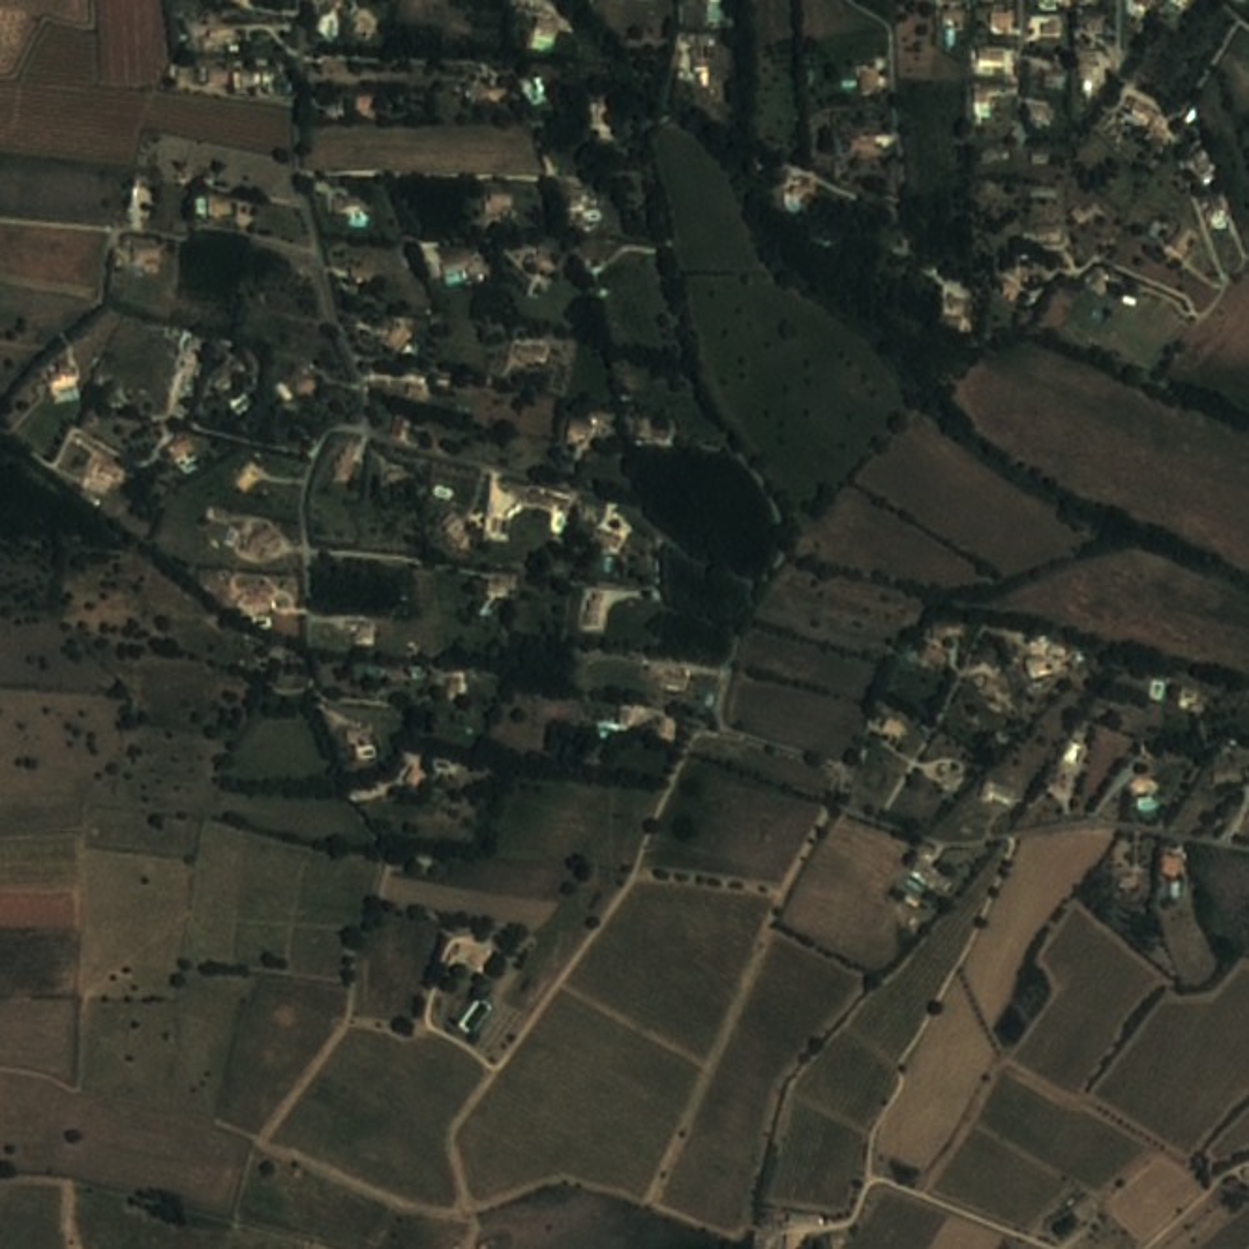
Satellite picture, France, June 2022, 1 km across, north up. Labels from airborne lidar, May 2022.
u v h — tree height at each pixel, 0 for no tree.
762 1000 0
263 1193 0
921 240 7
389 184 8
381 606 11
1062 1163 0
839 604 0
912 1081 0
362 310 8
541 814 0
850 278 8
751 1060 0
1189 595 0
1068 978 0
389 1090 0
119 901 0
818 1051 7
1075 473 0
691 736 12
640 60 9
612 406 10
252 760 0
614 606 0
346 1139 0
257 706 7
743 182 11
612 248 0
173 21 7
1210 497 0
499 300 11
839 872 0
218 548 0
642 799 0
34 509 6
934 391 6
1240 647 0
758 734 0
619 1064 0
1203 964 0
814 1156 0
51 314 0
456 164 0
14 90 0
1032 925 0
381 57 9
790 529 16
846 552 0
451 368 11
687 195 0
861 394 0
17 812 0
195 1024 0
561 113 10
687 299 13
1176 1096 0
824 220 12
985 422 0
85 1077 0
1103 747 0
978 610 9
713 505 8
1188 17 9
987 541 0
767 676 9
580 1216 0
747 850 0
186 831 0
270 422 11
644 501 10
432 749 15
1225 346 0
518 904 0
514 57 10
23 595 7
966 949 0
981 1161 0
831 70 11
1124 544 13
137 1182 0
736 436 19
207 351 13
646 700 10
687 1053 0
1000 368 0
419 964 0
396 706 8
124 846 0
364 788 9
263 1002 0
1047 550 0
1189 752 8
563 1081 0
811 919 0
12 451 11
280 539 0
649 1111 0
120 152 0
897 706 11
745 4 16
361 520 0
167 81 8
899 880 0
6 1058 0
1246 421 11
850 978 0
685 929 0
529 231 13
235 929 0
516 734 0
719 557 14
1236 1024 0
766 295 0
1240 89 0
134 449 8
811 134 8
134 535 11
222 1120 0
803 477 0
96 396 7
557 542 8
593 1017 0
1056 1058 0
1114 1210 0
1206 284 0
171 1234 0
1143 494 0
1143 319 0
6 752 0
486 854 8
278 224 0
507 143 0
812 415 9
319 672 9
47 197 0
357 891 0
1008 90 0
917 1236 0
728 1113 0
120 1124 0
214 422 9
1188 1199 0
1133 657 13
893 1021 0
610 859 0
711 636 6
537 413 0
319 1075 0
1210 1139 0
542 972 0
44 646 0
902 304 9
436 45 6
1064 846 0
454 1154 0
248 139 0
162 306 0
